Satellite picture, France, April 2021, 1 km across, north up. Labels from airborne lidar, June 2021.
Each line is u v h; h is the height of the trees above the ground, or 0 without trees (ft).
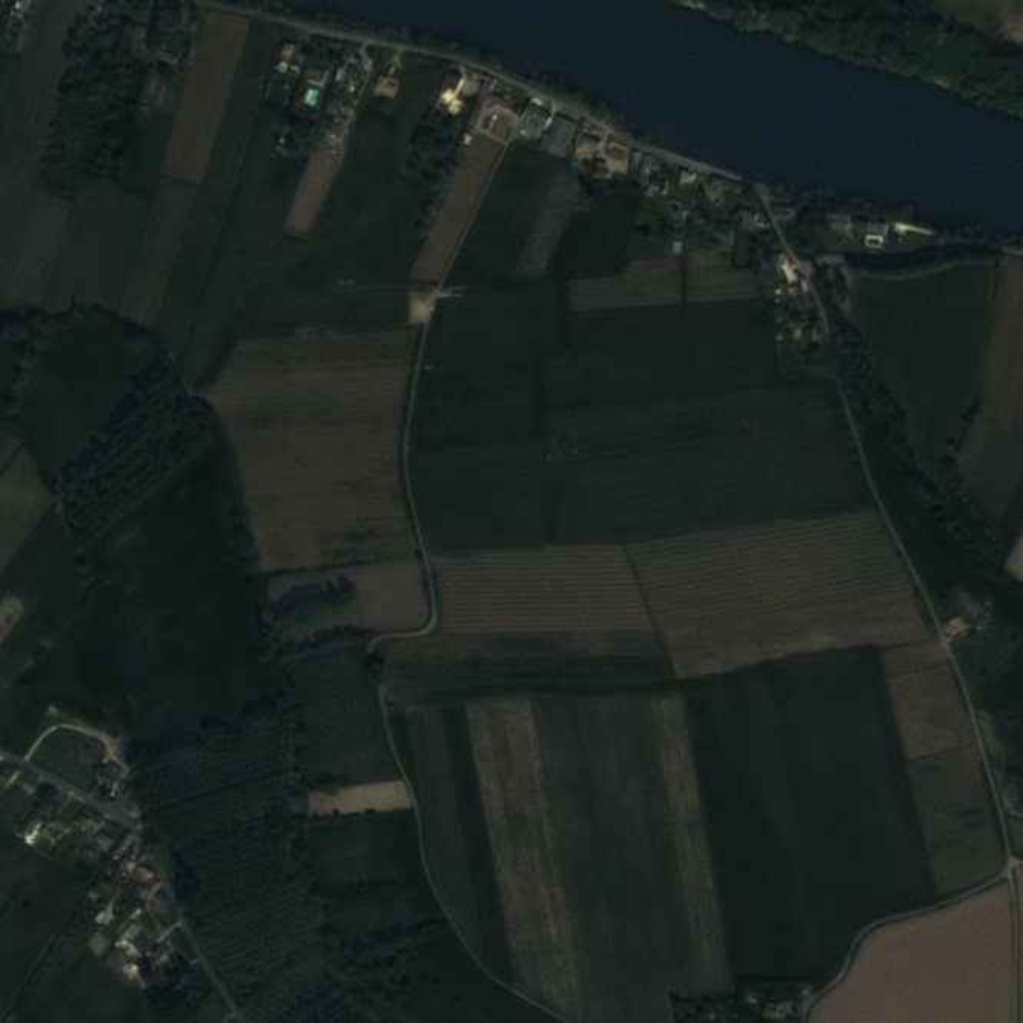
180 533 0
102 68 53
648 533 0
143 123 0
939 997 0
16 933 0
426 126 23
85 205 0
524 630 0
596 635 0
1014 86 47
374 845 0
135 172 0
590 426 0
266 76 0
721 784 0
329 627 0
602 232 0
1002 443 0
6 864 0
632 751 0
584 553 0
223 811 90
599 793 0
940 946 0
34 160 0
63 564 0
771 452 0
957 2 0
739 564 0
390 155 0
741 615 0
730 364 0
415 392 0
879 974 0
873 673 0
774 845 0
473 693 0
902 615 0
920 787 0
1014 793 0
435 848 0
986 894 0
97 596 0
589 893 0
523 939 0
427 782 0
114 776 0
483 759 0
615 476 0
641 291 0
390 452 0
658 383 0
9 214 0
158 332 0
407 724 0
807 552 0
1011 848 0
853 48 38
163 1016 69
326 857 0
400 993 39
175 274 0
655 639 0
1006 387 0
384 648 0
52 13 0
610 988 0
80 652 0
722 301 0
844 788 0
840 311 39
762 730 0
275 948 88
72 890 0
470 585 0
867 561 0
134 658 0
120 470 73
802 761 0
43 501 0
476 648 0
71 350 0
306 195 0
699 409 0
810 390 0
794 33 52
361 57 21
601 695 0
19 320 41
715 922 0
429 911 0
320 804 0
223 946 79
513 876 0
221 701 0
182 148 0
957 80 43
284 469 0
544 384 0
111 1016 0
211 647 0
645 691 0
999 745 0
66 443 0
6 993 0
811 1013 0
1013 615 0
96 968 0
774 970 0
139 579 0
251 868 88
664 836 0
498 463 0
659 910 0
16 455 0
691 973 0
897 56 94
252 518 0
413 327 0
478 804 0
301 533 0
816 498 0
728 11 52
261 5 41
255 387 0
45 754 0
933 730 0
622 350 0
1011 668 0
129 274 0
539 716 0
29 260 0
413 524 0
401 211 0
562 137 0
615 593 0
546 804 0
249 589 26
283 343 0
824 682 0
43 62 0
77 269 0
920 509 0
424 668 0
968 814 0
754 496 0
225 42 0
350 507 0
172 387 93
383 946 67
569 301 0
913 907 0
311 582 0
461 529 0
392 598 0
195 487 0
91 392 0
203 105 0
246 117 0
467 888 0
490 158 0
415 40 23
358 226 0
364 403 0
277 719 75
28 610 0
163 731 0
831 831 0
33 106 0
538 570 0
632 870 0
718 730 0
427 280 0
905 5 59
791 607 0
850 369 61
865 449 0
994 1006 0
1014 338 0
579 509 0
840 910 0
